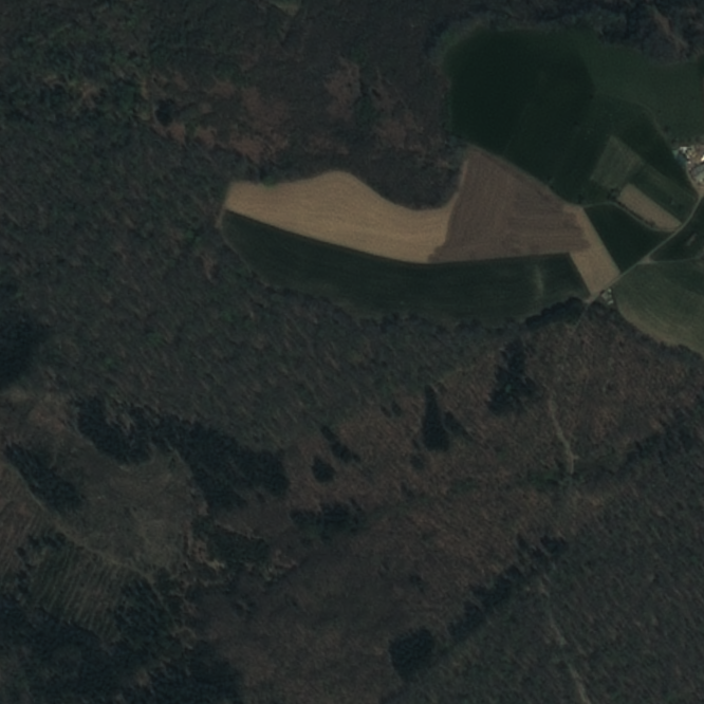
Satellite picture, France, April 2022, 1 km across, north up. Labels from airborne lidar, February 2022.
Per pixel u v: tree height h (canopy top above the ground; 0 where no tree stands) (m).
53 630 33
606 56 0
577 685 27
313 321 26
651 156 0
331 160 5
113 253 28
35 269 26
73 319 25
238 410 27
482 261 0
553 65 0
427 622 14
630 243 0
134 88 13
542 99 0
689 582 27
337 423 24
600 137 0
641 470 25
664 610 26
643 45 18
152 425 22
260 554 8
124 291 28
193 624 8
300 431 22
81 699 31
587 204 16
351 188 0
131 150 26
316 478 15
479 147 0
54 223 29
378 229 0
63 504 36
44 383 22
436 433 26
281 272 0
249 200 0
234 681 12
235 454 22
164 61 8
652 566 26
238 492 18
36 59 25
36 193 29
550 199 0
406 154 6
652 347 26
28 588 30
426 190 10
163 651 29
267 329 28
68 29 7
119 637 0
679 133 0
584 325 15
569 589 23
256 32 8
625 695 24
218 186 29
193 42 8
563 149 0
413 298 0
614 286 0
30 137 27
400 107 8
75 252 24
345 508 15
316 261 0
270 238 0
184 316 29
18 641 28
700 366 23
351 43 8
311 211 0
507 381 31
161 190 26
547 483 16
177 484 0
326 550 10
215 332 27
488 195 0
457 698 26
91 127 26
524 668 27
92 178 28
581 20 31
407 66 7
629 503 24
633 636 25
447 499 13
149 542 0
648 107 0
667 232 0
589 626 26
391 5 7
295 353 26
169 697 30
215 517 13
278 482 25
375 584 13
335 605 11
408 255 0
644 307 0
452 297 0
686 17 25
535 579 24
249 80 7
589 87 0
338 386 30
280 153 6
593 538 25
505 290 0
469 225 0
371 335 29
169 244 33
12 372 25
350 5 8
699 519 27
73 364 28
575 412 14
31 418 0
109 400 25
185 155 29
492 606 28
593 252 0
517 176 0
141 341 27
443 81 7
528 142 0
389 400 25
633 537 24
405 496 15
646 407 16
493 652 28
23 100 25
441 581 16
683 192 0
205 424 26
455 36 25
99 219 26
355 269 0
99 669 28
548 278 0
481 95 0
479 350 29
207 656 13
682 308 0
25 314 17
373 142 7
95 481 0
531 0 12
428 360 30
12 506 7
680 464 27
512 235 0
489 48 0
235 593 12
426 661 27
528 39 0
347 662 9
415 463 17
